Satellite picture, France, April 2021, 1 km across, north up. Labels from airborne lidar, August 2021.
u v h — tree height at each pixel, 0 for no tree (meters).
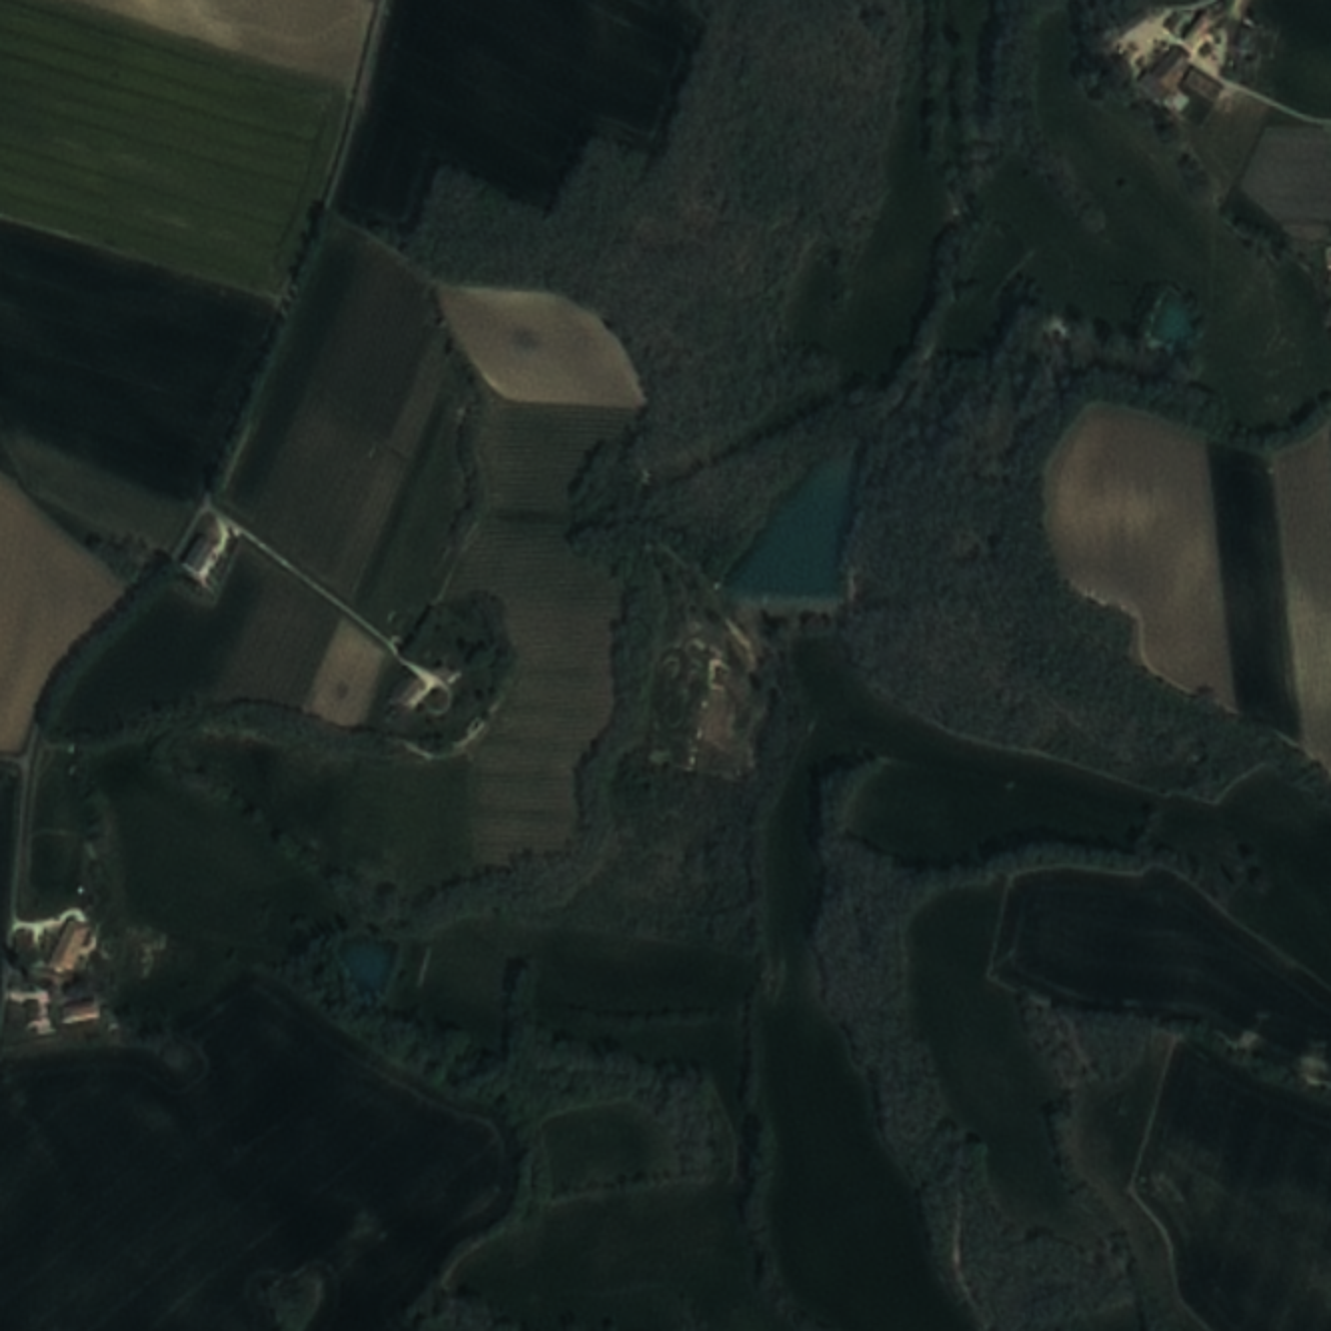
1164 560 0
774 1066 0
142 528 0
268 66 0
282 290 0
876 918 16
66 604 0
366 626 0
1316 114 0
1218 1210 0
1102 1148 0
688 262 17
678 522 21
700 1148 20
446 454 0
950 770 0
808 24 14
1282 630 0
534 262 19
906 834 0
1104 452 0
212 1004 0
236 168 0
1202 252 0
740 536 19
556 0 0
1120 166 0
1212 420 14
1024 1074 0
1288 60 0
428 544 0
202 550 0
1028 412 13
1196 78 0
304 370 0
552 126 0
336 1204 0
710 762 0
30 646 0
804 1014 0
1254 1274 0
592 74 0
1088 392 14
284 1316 13
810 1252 0
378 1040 12
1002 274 0
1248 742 18
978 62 0
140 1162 0
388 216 0
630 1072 24
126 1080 0
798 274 16
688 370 14
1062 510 0
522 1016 20
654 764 7
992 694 12
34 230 0
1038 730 16
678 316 13
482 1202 0
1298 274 0
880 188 22
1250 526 0
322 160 0
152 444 0
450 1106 0
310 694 0
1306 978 0
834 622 12
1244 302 0
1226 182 0
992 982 0
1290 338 0
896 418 11
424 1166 0
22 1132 0
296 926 7
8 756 0
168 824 0
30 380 0
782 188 22
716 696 0
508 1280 0
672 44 0
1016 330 18
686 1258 0
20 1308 0
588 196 22
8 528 0
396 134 0
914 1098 18
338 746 21
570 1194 13
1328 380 0
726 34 11
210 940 0
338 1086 0
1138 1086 0
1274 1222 0
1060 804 0
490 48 0
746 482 23
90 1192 0
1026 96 21
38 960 0
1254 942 0
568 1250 0
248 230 0
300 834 0
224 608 0
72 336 0
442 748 12
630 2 0
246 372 0
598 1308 0
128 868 0
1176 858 18
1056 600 19
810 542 0
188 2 0
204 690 0
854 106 19
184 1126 0
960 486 17
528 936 0
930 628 9
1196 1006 0
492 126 0
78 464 0
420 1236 0
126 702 0
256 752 0
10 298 0
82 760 6
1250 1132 0
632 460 15
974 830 0
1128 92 19
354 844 0
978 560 11
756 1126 10
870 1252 0
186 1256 0
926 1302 0
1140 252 0
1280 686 0
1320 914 0
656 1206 0
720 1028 0
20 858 0
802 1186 0
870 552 20
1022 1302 17
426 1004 0
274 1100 0
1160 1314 10
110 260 0
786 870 0
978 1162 17
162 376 0
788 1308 14
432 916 23
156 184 0
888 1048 22
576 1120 0
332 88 0
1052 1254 16
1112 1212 11
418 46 0
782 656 17
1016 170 0
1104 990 0
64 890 0
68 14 0
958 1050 0
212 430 0
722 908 14
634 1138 0
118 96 0
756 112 19
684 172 14
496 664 11
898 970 14
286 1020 0
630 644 16
